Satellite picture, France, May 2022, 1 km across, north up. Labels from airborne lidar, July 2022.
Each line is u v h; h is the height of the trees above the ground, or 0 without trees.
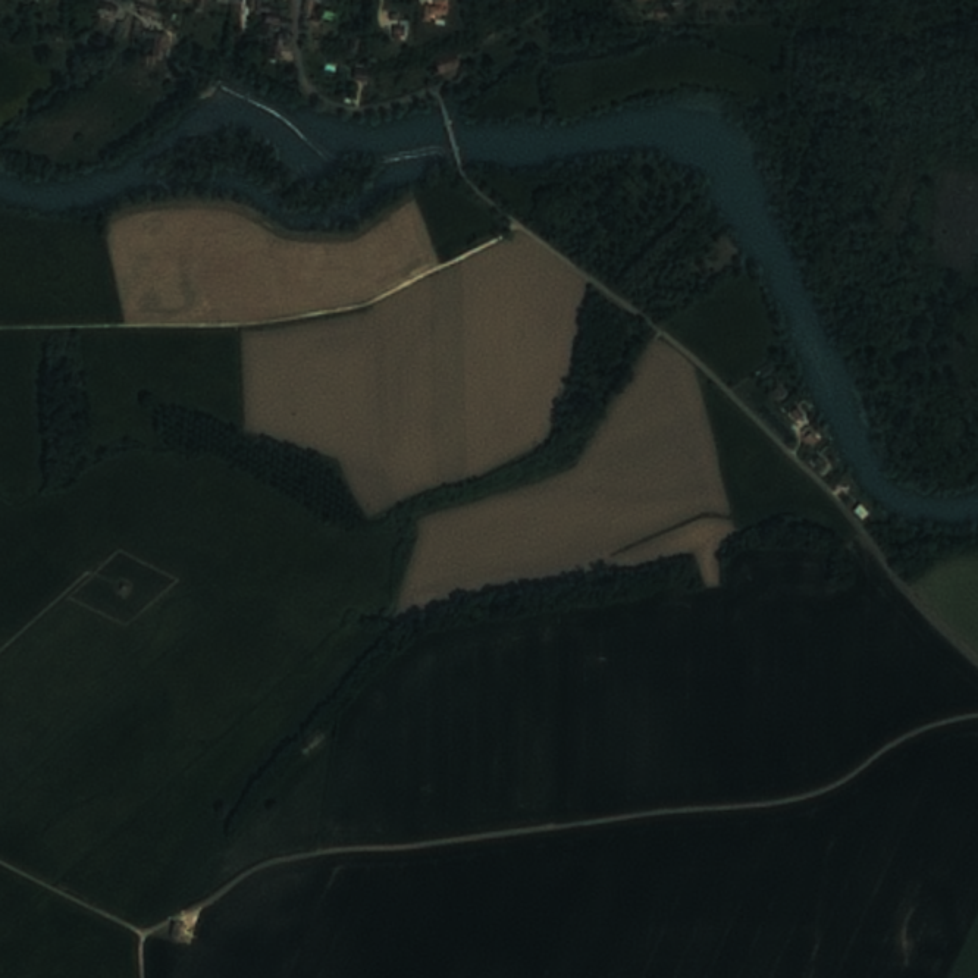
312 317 0
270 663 0
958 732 0
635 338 7
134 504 0
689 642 0
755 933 0
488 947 0
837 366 0
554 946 0
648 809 0
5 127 8
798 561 0
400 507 11
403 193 14
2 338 0
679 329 0
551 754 0
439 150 0
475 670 0
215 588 0
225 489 0
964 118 19
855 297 14
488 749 0
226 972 0
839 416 0
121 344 0
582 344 14
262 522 0
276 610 0
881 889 0
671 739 0
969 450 6
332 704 8
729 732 0
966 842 0
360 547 0
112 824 0
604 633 0
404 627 17
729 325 0
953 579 0
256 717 0
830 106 15
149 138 13
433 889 0
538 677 0
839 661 0
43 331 0
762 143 14
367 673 8
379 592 0
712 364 0
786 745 0
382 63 8
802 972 0
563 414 19
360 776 0
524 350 0
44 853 0
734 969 0
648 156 23
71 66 15
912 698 0
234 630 0
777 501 0
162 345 0
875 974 0
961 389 23
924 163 6
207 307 0
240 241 0
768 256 0
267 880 0
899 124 14
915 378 14
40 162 13
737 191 0
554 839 0
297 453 18
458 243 0
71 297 0
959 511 0
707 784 0
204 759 0
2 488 0
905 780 0
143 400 14
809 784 0
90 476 0
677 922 0
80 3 9
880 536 15
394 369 0
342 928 0
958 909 0
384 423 0
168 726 0
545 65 15
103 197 0
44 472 17
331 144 0
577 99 0
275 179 23
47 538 0
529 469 6
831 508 0
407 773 0
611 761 0
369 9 18
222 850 0
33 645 0
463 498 7
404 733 0
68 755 0
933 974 0
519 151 0
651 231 16
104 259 0
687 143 0
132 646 0
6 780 0
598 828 0
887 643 0
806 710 0
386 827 0
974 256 7
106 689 0
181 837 0
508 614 17
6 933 0
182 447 14
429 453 0
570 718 0
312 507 18
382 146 0
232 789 0
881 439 10
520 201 0
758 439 0
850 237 20
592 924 0
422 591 0
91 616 0
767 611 0
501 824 0
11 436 0
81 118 0
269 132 0
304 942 0
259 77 20
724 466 0
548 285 0
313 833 0
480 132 0
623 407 0
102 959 0
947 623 0
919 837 0
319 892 0
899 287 18
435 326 0
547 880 0
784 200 17
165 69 0
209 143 6
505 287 0
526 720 0
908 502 0
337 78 6
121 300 0
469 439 0
